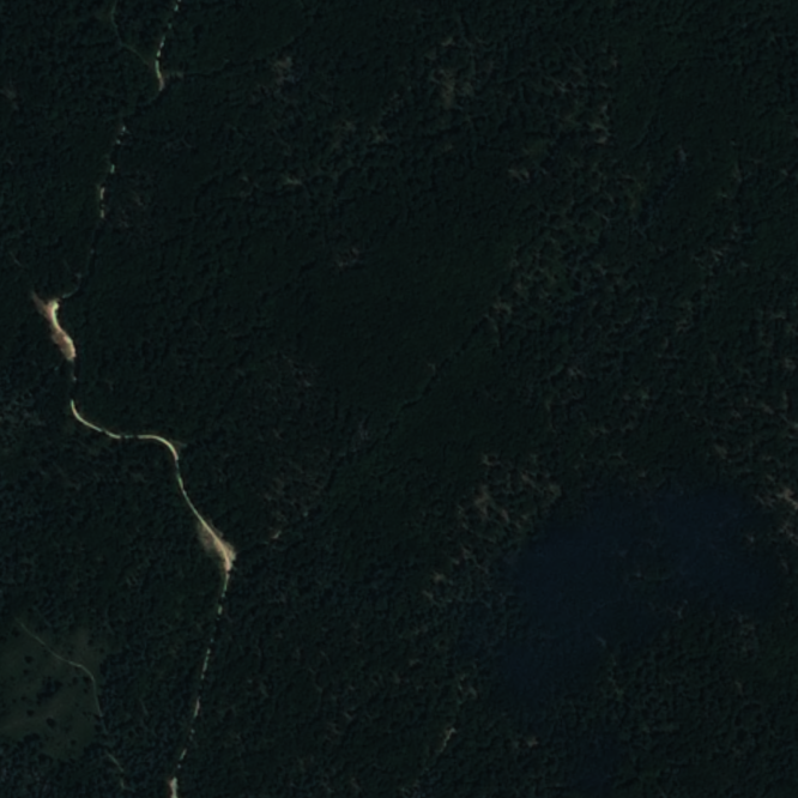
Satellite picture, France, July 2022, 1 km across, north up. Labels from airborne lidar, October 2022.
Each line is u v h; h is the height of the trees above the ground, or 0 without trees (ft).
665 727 67
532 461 62
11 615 48
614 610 38
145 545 47
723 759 65
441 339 62
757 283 31
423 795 64
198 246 50
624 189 58
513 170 97
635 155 75
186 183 67
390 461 67
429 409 65
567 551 60
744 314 56
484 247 57
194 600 45
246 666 50
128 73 78
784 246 49
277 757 50
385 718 57
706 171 53
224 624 63
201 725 45
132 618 42
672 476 73
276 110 82
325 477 54
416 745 62
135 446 62
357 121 63
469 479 53
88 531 43
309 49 71
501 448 67
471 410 60
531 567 23
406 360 74
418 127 75
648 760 81
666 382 66
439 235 60
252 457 63
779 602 64
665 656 75
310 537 43
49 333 38
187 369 37
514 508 62
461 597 91
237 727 64
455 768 57
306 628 25
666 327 52
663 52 65
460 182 76
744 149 65
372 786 56
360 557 58
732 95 61
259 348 76
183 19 72
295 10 67
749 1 63
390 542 47
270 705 64
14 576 55
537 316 72
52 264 71
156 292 44
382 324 73
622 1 63
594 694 70
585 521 59
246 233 58
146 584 30
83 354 67
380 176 74
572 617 51
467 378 62
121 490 55
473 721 68
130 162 68
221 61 66
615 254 75
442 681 72
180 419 38
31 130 70
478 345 56
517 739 22
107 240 64
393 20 66
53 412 71
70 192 47
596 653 52
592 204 77
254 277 56
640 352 68
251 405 64
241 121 84
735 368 67
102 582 62
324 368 59
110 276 43
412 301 75
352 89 77
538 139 73
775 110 59
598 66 64
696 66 68
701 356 52
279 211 70
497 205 71
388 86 68
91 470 55
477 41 75
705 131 62
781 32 76
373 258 68
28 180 58
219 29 82
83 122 71
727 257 31
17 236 61
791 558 69
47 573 51
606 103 58
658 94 54
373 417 79
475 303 67
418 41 71
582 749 56
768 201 58
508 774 58
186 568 45
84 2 72
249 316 61
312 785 52
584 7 60
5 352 72
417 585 78
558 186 56
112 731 24
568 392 64
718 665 68
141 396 67
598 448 53
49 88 80
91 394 49
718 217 52
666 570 50
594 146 44
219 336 65
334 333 62
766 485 65
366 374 76
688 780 71
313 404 63
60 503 33
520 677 53
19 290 62
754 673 38
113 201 51
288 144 78
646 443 33
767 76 80
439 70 61
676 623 35
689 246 63
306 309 68
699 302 52
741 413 77
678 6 60
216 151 81
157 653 42
